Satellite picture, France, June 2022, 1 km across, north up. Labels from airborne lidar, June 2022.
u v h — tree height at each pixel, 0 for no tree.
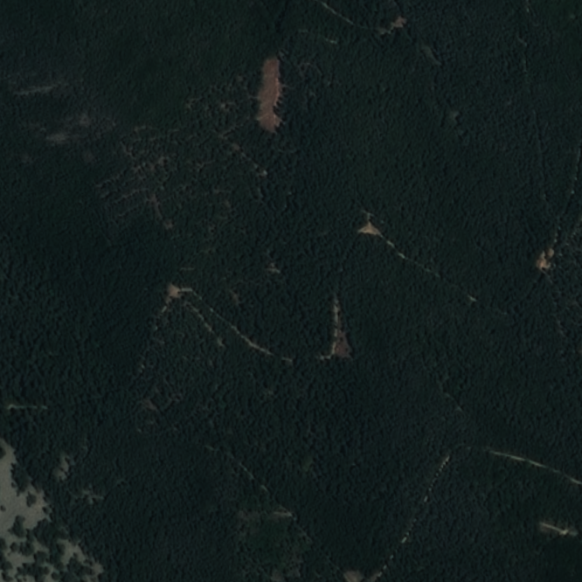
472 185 24
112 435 21
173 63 22
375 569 7
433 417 15
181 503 13
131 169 14
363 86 17
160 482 15
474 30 19
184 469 14
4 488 0
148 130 14
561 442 23
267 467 16
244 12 22
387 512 20
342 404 25
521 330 27
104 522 12
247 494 13
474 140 17
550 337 25
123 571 20
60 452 17
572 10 9
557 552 15
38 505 0
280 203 24
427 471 12
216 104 20
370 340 13
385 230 19
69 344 18
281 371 9
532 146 20
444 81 21
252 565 17
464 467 15
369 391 16
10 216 20
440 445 11
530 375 20
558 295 18
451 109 7
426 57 18
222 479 14
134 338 13
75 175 14
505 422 14
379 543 12
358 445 28
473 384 17
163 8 18
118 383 20
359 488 20
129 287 10
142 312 13
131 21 21
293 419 19
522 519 16
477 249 21
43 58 15
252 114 22
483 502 11
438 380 16
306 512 23
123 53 20
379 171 16
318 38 18
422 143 19
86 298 17
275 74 0
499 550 12
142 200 15
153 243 21
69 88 8
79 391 11
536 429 22
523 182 17
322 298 16
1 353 27
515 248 23
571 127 12
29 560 0
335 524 21
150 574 17
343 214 16
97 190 17
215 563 16
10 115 8
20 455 17
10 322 28
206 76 19
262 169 26
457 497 12
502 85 21
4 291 10
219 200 20
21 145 13
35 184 9
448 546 12
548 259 7
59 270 15
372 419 20
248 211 23
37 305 18
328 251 13
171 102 19
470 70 20
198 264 17
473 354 22
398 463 15
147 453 13
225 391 23
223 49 22
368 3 17
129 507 18
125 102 19
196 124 19
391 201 19
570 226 18
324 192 14
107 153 13
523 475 14
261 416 22
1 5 12
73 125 6
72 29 14
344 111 15
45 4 16
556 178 17
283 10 6
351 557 12
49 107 7
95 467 18
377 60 21
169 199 14
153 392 21
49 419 16
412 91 23
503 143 17
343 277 17
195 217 15
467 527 16
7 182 13
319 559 19
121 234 14
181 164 26
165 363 17
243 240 25
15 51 12
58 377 11
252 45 22
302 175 21
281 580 0
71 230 10
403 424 17
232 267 19
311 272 13
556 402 22
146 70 18
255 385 24
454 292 21
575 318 23
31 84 10
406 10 22
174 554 19
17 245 20
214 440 20
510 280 19
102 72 19
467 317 21
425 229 19
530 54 11
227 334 21
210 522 20
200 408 18
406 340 10
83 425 21
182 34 20
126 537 20
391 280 9
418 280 20
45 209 10
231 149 23
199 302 9
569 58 11
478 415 12
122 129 10
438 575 8
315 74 18
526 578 14
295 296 15
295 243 10
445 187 23
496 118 20
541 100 17
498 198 21
